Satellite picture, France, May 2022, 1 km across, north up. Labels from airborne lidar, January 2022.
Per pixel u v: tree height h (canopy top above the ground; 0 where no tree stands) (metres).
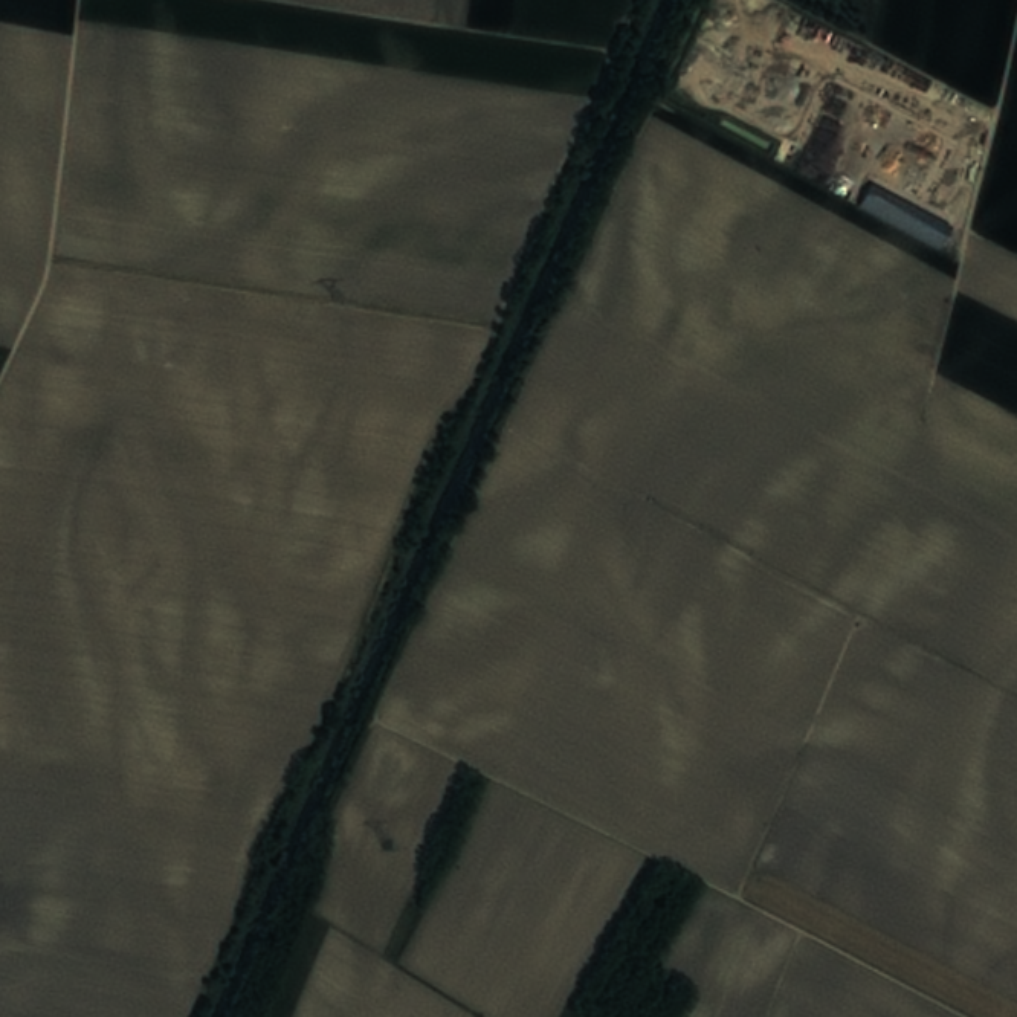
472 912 0
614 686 0
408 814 0
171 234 0
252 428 0
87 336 0
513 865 0
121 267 0
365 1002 0
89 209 0
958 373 0
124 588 0
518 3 0
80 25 0
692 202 0
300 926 21
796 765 0
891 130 0
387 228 0
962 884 0
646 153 0
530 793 0
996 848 0
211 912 0
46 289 0
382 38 0
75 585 0
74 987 0
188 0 0
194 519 0
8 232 0
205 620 0
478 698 0
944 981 0
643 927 22
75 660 0
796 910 0
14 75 0
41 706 0
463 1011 0
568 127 0
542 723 0
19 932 0
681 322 0
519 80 0
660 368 0
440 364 0
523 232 0
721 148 0
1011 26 0
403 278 0
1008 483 0
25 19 0
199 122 0
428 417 0
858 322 0
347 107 0
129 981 0
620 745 0
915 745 0
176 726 0
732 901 0
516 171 0
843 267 0
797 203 0
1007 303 0
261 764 0
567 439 0
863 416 0
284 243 0
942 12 0
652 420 0
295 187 0
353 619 0
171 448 0
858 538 0
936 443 0
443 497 0
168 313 0
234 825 0
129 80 0
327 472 0
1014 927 0
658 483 0
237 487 0
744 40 0
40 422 0
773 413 0
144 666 0
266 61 0
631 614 0
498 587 0
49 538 0
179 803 0
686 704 0
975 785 0
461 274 0
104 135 0
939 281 0
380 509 0
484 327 0
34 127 0
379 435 0
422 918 0
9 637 0
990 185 0
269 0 0
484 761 0
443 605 0
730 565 0
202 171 0
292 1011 0
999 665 0
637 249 0
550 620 0
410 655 0
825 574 0
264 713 0
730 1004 0
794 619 0
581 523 0
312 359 0
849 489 0
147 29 0
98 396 0
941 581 0
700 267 0
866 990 0
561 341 0
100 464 0
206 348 0
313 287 0
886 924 0
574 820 0
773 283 0
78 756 0
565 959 0
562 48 0
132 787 0
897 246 0
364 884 0
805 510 0
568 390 0
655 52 6
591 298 0
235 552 0
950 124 0
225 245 0
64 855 0
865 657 0
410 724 0
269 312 0
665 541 0
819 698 0
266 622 0
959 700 0
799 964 0
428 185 0
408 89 0
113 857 0
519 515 0
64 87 0
